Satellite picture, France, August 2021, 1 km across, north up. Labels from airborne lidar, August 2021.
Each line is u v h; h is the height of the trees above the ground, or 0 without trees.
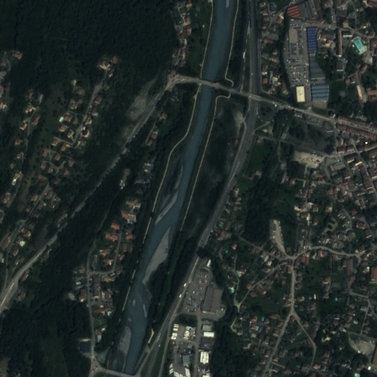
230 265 10
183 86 16
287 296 0
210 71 0
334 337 13
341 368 23
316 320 8
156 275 5
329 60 15
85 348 0
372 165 0
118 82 8
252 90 0
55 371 0
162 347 0
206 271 0
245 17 16
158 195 0
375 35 0
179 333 0
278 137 12
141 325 0
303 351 19
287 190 10
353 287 9
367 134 0
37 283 13
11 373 18
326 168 0
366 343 0
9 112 6
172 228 0
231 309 10
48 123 0
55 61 19
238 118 0
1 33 12
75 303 16
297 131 14
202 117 0
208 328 0
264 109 11
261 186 14
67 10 23
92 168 10
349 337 0
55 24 23
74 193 8
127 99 10
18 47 15
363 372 16
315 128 0
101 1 21
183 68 16
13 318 22
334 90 0
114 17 19
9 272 0
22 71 16
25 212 7
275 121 10
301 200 7
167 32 15
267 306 0
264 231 14
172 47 23
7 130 11
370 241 8
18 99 10
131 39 18
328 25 0
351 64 13
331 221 14
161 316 11
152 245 0
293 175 14
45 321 22
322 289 7
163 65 10
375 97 0
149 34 21
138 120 0
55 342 0
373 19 6
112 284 10
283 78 15
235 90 0
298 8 0
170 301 18
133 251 11
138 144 14
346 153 0
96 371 0
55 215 11
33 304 20
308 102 0
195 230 0
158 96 0
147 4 22
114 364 0
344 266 0
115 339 15
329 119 0
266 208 16
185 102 16
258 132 12
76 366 13
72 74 0
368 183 0
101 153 11
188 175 0
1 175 16
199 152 6
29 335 22
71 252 22
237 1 0
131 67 10
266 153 0
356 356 14
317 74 0
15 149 8
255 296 6
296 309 8
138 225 20
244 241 0
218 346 6
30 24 13
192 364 6
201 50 0
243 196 8
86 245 15
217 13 0
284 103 0
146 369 0
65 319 21
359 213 7
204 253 30
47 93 13
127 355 0
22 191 13
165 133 0
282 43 10
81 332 17
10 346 19
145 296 0
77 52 17
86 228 18
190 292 0
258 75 0
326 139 8
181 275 28
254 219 17
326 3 0
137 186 7
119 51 11
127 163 19
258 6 7
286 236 0
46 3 22
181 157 0
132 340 0
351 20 7
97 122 0
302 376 6
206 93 0
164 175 0
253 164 0
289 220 8
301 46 0
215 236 10
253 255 6
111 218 10
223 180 8
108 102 7
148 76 14
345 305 7
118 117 11
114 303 11
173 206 0
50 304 19
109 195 11
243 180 0
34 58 15
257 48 0
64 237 18
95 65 10
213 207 12
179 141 0
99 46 16
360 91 0
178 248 19
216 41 0
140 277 0
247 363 16
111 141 15
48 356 0
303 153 0
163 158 12
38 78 19
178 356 0
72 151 13
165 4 25
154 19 15
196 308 0
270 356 0
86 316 17
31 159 19
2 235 10
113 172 20
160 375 0
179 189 0
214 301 0
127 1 18
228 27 0
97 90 0
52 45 17
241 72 0
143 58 16
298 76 0
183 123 15
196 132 0
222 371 15
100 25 21
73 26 8
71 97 12
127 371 0
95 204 15
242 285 6
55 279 23
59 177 9
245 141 0
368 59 0
